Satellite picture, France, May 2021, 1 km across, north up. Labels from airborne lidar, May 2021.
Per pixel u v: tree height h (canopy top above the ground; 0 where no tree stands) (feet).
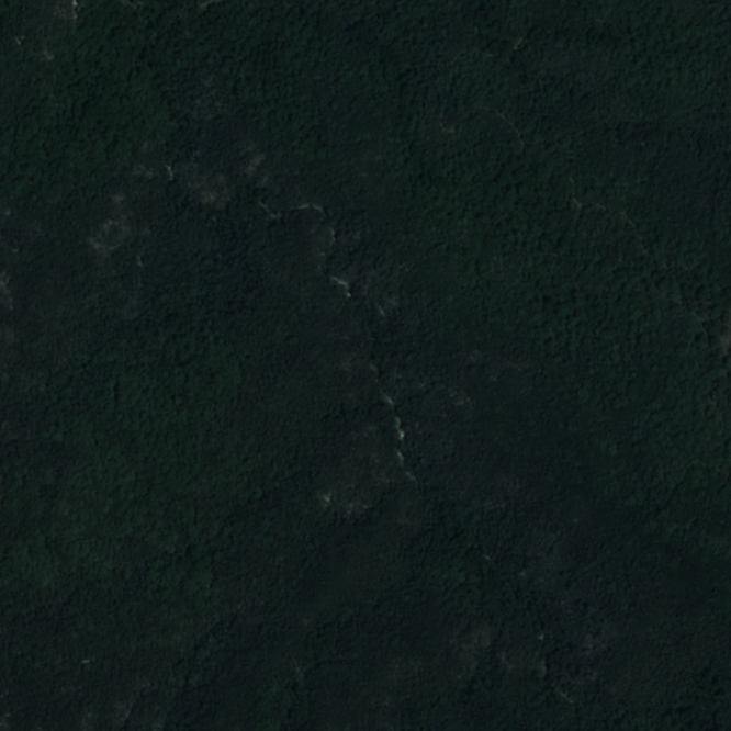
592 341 32
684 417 36
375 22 51
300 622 20
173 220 59
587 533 25
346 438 21
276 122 31
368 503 45
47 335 19
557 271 28
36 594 58
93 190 36
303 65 27
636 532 32
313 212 27
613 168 32
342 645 50
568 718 22
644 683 22
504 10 26
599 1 38
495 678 39
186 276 38
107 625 56
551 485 23
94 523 42
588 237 19
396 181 25
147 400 52
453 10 24
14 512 35
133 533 36
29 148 63
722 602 31
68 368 37
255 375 53
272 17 44
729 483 43
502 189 47
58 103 48
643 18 50
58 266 34
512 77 31
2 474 44
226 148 23
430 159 34
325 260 35
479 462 27
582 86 51
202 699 25
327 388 30
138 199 33
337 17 66
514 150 28
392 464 31
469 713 27
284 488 23
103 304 39
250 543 46
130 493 49
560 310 53
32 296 26
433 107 31
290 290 39
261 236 20
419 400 39
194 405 37
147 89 47
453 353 33
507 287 32
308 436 24
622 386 56
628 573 24
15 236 24
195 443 41
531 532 34
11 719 25
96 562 49
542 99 55
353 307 41
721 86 47
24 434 30
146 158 22
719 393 60
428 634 28
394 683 25
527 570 39
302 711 73
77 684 33
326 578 19
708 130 35
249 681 26
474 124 26
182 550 33
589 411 26
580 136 57
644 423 43
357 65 35
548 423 35
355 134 25
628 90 34
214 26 51
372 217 27
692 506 37
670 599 36
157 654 38
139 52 26
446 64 33
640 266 28
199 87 34
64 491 39
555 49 23
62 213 24
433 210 50
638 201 36
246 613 21
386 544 23
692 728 52
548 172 48
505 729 33
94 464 42
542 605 42
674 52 28
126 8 28
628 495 30
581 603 49
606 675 37
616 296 43
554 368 22
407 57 52
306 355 23
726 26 53
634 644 22
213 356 65
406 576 31
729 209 36
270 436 43
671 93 37
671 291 69
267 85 64
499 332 22
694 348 46
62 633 42
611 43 47
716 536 25
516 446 33
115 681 58
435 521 44
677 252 48
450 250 56
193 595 41
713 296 44
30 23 19
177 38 45
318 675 24
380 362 55
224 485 46
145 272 24
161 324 38
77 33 30
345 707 29
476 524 39
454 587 41
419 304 26
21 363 38
